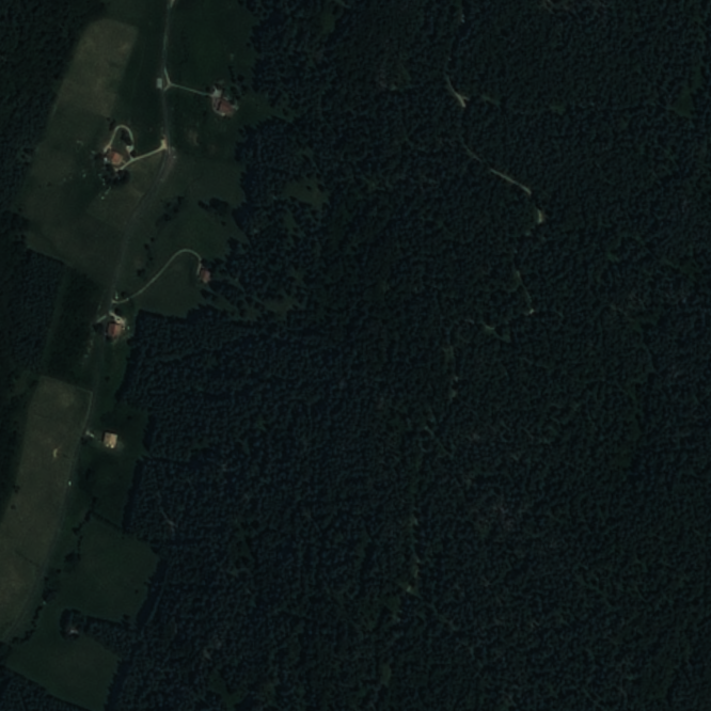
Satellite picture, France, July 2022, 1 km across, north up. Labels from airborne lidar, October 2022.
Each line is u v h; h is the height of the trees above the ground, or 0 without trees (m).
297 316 21
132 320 0
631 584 22
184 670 22
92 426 0
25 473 0
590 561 20
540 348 22
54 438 0
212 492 33
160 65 0
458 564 12
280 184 25
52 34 21
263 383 35
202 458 16
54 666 0
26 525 0
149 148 0
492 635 20
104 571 0
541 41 15
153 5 0
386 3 28
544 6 6
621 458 14
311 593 9
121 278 0
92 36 0
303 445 29
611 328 23
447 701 14
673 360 25
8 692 20
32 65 22
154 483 23
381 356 22
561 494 21
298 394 25
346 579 29
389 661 28
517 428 18
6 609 0
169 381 24
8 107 25
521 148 28
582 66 19
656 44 20
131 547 0
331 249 12
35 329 23
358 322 20
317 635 32
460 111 17
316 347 19
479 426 25
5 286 27
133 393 26
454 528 35
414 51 26
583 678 26
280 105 22
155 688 25
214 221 0
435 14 30
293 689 27
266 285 23
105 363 0
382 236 8
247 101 0
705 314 24
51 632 0
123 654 24
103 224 0
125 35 0
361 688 24
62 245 0
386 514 25
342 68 20
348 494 8
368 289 24
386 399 25
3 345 26
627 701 28
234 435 36
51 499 0
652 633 19
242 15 0
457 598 7
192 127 0
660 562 22
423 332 21
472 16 26
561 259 25
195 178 0
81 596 0
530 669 31
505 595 18
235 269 21
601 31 20
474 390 18
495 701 19
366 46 20
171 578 24
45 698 19
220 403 39
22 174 22
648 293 27
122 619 0
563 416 21
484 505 17
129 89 0
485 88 17
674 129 29
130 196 0
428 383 17
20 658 0
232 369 17
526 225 21
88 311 0
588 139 23
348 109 21
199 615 36
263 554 20
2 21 19
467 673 13
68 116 0
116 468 0
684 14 20
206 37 0
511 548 14
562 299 9
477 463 24
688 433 18
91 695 0
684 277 13
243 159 23
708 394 28
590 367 22
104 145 0
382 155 18
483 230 7
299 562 31
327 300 9
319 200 0
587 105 19
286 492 23
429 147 8
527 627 27
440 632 24
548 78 23
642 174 22
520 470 30
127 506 0
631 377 24
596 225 20
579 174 19
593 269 23
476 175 25
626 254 29
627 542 20
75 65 0
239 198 0
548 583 21
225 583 29
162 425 25
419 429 27
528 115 14
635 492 18
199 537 35
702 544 24
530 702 23
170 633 22
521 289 13
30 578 0
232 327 29
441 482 24
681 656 19
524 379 9
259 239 16
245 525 10
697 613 7
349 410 23
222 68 0
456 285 22
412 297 11
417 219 18
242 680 22
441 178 27
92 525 0
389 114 23
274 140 17
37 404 0
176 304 0
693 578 17
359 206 13
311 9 32
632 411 18
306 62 10
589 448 10
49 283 25
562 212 19
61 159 0
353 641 23
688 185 16
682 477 8
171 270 0
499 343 18
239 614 16
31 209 0
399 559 30
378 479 25
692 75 26
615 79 19
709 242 24
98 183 0
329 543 24
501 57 18
